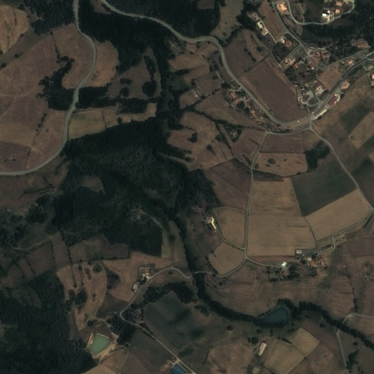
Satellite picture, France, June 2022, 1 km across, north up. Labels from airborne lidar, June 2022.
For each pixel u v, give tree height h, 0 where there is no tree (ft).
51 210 0
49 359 48
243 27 25
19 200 0
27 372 34
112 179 46
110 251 0
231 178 0
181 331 0
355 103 0
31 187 0
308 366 0
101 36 45
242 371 0
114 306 0
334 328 0
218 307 77
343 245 0
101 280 0
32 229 0
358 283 0
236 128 36
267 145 0
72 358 65
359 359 0
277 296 0
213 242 0
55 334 37
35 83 0
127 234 57
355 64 0
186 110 21
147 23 46
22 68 0
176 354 0
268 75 0
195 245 0
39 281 39
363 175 0
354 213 0
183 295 37
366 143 0
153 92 46
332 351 0
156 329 0
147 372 0
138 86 0
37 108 0
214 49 0
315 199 0
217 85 0
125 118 0
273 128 0
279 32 0
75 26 0
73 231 27
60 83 43
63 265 0
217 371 0
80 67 0
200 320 0
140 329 18
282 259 0
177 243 0
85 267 0
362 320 0
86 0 58
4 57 0
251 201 0
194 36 32
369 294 0
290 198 0
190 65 0
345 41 22
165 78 50
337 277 0
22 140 0
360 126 0
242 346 0
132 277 0
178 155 51
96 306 0
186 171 89
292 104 0
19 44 0
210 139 0
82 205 94
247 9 26
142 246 28
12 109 0
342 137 0
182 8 48
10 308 59
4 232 60
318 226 0
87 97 41
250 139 0
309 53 0
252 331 0
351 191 0
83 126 0
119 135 45
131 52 18
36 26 62
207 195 22
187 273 0
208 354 0
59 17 50
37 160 0
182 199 58
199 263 0
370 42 26
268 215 0
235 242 0
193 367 0
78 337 0
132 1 39
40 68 0
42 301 31
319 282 0
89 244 0
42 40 0
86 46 0
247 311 0
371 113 0
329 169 0
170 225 0
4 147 0
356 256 0
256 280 0
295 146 0
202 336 0
